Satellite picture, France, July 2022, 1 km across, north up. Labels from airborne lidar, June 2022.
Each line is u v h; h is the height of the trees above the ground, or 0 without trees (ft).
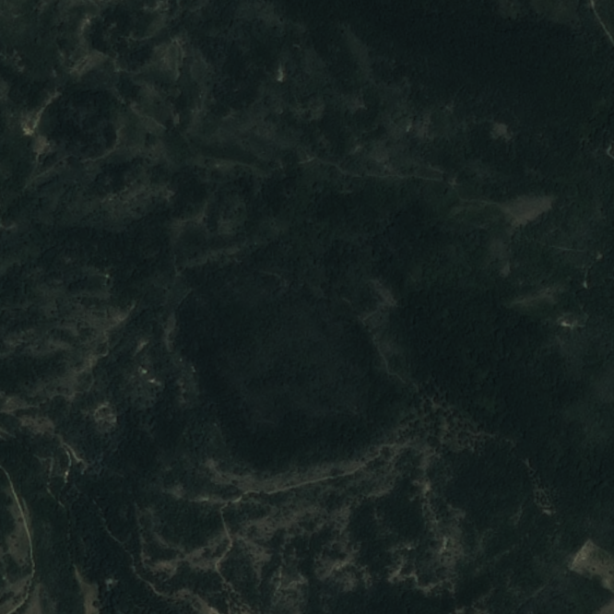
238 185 24
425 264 18
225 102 22
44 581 23
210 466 0
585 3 24
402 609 56
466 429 23
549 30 41
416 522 29
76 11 0
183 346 29
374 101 29
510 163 35
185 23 20
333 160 21
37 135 0
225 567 24
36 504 29
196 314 24
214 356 33
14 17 0
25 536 0
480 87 31
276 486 0
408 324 45
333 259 31
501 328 33
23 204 20
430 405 40
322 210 36
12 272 20
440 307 34
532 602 30
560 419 30
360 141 20
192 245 0
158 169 24
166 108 0
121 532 27
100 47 27
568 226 23
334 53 24
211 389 35
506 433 26
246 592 19
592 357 24
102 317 21
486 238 32
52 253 32
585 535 28
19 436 24
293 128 20
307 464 23
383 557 29
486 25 47
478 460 25
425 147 20
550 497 44
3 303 23
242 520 31
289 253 25
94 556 21
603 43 29
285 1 33
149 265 29
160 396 39
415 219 27
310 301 32
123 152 0
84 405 23
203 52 19
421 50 37
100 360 25
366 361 23
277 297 29
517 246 28
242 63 26
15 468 37
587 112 63
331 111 20
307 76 25
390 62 20
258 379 18
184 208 24
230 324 33
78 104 25
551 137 33
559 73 54
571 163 22
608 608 0
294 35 21
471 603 25
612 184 25
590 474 33
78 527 42
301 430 28
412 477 22
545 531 35
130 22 31
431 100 21
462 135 21
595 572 0
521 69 57
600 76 46
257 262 25
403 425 31
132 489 21
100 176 21
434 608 35
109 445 22
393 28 46
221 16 25
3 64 20
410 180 22
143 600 39
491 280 30
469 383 27
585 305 34
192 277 25
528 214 0
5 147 25
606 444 23
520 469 40
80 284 26
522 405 51
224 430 27
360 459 26
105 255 22
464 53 37
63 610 37
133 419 37
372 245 29
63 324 28
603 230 23
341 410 26
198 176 25
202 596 21
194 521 19
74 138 32
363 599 19
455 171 20
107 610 44
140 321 23
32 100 25
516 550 28
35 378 24
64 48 34
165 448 27
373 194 40
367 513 21
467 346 35
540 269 31
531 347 23
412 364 28
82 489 33
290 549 23
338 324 22
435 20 54
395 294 18
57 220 19
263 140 0
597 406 23
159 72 0
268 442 35
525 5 21
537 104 31
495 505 24
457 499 23
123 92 26
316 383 31
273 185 27
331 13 22
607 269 31
